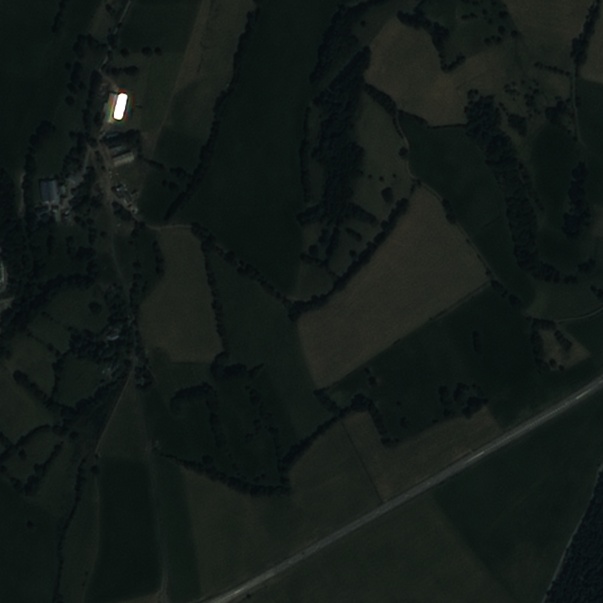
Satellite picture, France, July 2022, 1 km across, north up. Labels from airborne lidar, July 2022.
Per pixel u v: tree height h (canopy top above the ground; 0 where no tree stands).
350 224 0
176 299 0
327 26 0
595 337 0
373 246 12
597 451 0
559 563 0
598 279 0
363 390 0
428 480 0
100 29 0
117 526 0
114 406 0
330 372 0
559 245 0
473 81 0
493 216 0
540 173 0
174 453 0
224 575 0
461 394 16
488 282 0
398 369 0
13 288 17
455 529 0
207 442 0
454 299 0
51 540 0
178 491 0
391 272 0
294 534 0
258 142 0
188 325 0
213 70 0
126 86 0
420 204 0
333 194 19
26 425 0
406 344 0
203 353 0
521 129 12
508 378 0
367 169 0
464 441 0
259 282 8
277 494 8
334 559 0
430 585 0
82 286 23
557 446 0
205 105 0
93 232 10
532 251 24
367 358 0
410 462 0
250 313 0
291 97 0
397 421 0
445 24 0
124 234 0
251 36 9
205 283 0
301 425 0
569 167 0
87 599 0
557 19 0
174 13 0
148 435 0
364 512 0
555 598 17
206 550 0
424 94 0
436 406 0
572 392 0
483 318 0
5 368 0
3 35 0
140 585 0
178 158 0
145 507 0
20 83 0
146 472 0
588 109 0
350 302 0
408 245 0
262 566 0
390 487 0
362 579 0
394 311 0
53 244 15
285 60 0
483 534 0
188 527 0
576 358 0
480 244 0
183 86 0
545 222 0
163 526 0
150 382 10
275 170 0
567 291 0
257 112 0
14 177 0
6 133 0
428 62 0
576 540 13
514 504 0
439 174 0
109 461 0
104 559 0
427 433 0
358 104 14
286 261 0
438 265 0
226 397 0
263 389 0
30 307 21
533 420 0
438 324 0
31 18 0
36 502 0
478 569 0
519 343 0
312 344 0
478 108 17
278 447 11
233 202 0
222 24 0
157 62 0
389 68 0
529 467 0
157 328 0
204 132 0
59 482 0
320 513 0
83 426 0
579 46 16
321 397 19
